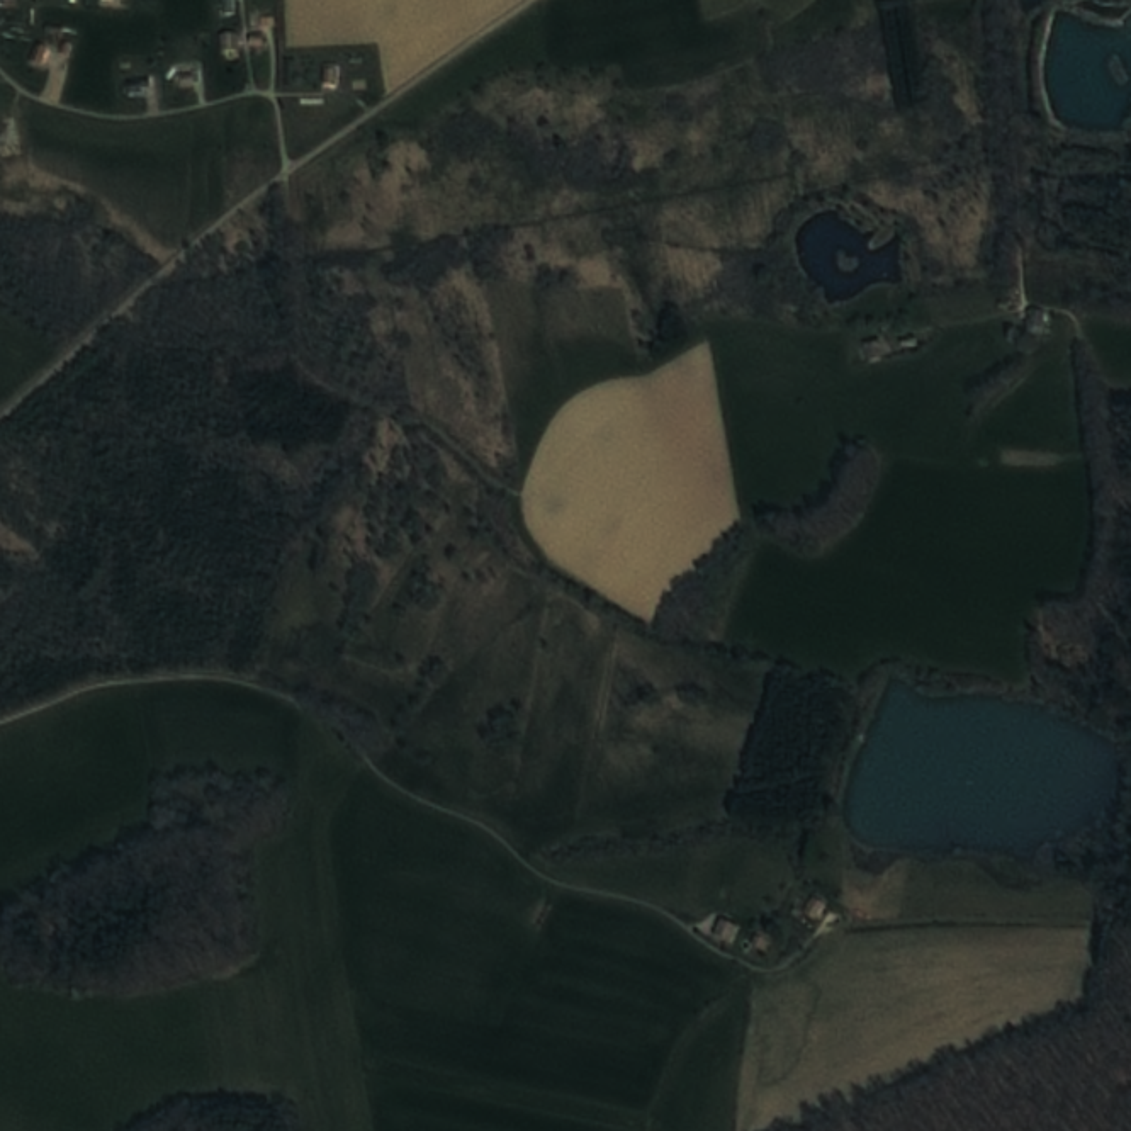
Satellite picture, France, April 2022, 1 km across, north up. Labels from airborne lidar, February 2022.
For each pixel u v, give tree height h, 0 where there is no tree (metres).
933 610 0
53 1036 0
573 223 0
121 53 0
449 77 0
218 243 10
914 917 0
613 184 6
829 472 0
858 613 0
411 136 0
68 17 0
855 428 0
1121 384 0
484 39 0
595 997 0
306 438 12
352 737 18
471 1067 0
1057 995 0
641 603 0
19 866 0
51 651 12
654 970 0
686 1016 0
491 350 0
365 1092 0
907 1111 30
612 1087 0
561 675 0
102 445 12
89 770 0
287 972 0
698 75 0
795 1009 0
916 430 0
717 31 0
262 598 10
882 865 0
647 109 0
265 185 0
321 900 0
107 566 7
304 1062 0
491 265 14
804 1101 0
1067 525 0
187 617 10
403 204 0
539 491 0
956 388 0
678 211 0
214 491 10
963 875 0
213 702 0
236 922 30
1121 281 15
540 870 0
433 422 0
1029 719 0
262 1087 0
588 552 0
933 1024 0
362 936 0
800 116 0
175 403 11
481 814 0
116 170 0
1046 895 0
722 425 0
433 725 0
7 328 0
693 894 0
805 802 19
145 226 0
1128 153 6
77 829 0
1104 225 20
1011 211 23
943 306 0
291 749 0
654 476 0
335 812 0
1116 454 27
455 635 0
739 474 0
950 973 0
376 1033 0
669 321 16
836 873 0
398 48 0
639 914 0
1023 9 20
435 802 0
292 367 12
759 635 0
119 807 0
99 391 7
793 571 0
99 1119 0
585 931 0
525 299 0
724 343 0
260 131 0
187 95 0
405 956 0
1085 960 0
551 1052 0
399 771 0
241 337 9
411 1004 0
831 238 0
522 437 0
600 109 0
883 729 0
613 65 0
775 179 0
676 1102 0
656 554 0
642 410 0
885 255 0
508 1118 0
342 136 0
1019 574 0
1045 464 0
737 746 0
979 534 0
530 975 0
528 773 0
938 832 0
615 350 0
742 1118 0
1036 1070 29
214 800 18
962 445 0
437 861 0
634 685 0
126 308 0
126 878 30
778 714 19
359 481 15
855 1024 0
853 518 20
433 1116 0
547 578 13
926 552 0
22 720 0
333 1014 0
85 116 0
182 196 0
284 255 15
